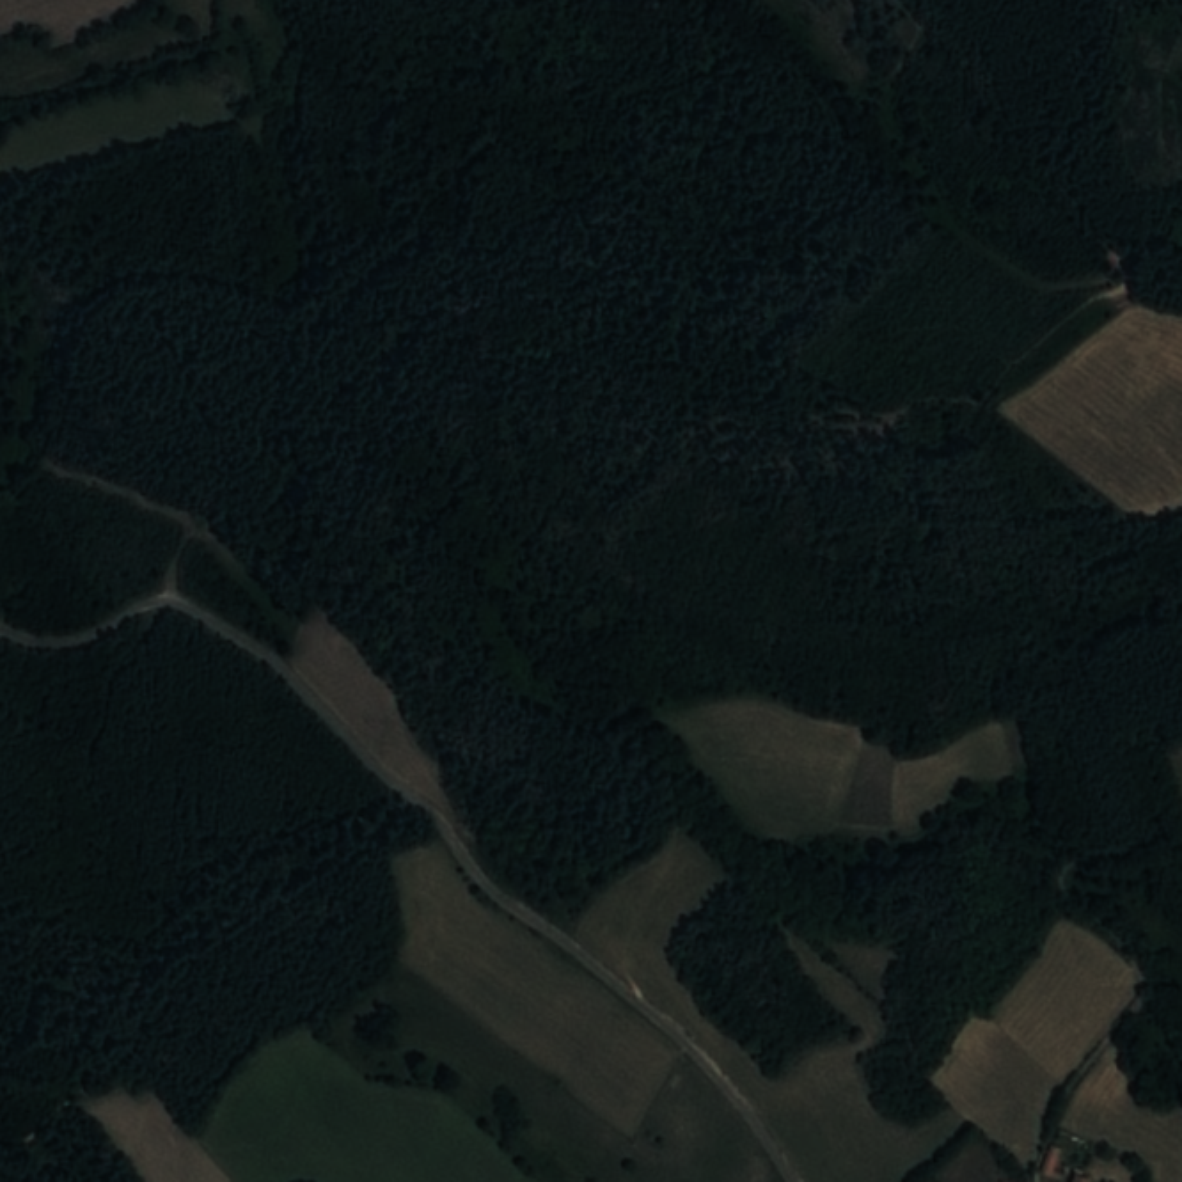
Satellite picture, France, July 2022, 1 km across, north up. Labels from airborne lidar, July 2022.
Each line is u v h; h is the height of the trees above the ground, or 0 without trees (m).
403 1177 0
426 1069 20
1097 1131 0
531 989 0
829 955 14
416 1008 0
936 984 15
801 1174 0
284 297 13
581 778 32
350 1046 0
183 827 14
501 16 13
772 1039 7
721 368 10
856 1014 0
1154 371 0
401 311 26
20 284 16
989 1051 0
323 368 26
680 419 20
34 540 7
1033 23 16
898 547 20
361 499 28
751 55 16
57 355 16
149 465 28
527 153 8
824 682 17
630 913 0
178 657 16
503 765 24
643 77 16
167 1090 26
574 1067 0
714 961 14
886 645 18
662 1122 0
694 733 0
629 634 17
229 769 16
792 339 23
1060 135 19
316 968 26
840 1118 0
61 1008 26
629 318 16
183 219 7
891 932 13
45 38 19
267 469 33
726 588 13
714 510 16
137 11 15
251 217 14
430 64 12
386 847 27
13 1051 16
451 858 0
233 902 27
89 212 16
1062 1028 0
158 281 33
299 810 11
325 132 18
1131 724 27
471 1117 0
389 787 10
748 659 13
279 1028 27
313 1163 0
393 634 7
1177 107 0
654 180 12
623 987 0
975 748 0
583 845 14
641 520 10
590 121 14
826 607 6
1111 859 18
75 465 19
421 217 29
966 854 18
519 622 12
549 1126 0
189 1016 29
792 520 19
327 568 22
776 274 29
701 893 0
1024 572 18
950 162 9
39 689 9
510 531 8
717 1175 0
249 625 9
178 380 35
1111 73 24
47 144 0
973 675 23
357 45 11
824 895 27
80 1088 7
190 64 9
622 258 17
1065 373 0
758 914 17
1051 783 13
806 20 0
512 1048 0
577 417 19
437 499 20
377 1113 0
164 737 16
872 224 37
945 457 21
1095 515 20
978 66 8
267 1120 0
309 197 24
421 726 7
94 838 15
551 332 14
